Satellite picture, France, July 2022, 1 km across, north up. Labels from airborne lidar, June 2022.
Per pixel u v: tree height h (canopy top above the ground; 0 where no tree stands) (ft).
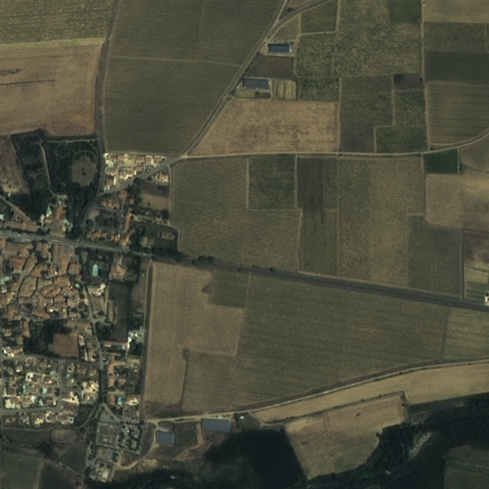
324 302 0
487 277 0
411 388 0
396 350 0
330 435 0
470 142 0
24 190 0
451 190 0
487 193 0
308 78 0
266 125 0
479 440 20
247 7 0
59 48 0
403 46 0
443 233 0
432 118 0
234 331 0
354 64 0
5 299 0
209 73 0
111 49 0
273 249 0
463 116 0
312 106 0
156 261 44
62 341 0
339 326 0
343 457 0
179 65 0
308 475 0
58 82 0
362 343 0
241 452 28
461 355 0
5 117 0
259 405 0
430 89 0
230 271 0
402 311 0
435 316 0
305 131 0
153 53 0
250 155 0
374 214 0
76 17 0
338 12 0
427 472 23
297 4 0
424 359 0
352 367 0
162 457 0
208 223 0
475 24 0
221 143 0
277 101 0
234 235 0
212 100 0
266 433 36
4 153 0
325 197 0
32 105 0
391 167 0
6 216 30
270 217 0
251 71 0
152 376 0
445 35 0
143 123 0
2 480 0
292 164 0
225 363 0
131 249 44
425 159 0
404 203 0
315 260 0
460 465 0
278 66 0
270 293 0
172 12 0
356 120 0
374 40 0
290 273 0
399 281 0
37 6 0
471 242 0
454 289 0
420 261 0
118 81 0
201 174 0
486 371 0
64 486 0
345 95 0
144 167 0
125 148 0
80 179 0
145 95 0
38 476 0
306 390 0
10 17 0
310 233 0
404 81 0
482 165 0
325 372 0
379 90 0
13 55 0
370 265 0
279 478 27
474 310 0
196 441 0
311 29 0
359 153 0
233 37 0
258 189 0
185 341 0
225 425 0
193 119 0
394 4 0
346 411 0
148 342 0
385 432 28
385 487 37
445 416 41
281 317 0
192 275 0
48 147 46
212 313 0
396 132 0
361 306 0
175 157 0
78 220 55
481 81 0
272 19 0
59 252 0
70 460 0
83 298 36
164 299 0
